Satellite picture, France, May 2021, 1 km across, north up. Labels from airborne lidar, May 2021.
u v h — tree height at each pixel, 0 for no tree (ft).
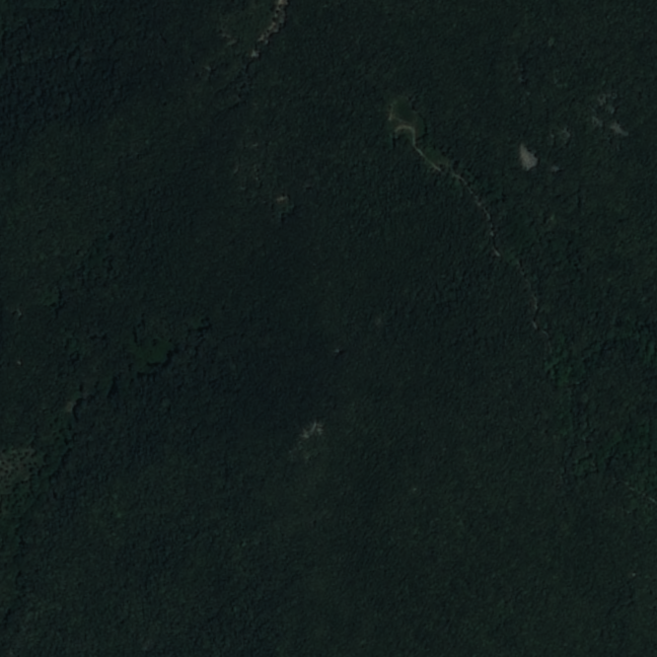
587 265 47
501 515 49
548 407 68
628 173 47
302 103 46
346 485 39
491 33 30
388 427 37
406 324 34
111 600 37
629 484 26
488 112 56
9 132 38
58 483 61
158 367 58
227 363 58
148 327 79
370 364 35
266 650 22
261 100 32
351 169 36
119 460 43
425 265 43
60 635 40
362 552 25
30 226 22
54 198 57
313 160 59
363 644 31
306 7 56
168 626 25
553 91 36
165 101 52
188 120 56
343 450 31
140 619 29
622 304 42
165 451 53
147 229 38
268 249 49
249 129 37
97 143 31
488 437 41
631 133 40
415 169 36
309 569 41
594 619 36
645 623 40
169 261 35
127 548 46
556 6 49
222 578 34
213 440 40
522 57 56
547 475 55
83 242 56
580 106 51
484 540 63
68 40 46
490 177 56
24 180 28
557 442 44
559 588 51
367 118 37
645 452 67
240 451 36
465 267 44
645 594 31
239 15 24
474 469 46
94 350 58
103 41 42
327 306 29
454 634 55
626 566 34
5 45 51
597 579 36
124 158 34
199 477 67
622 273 52
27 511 70
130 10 52
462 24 40
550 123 47
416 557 56
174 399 49
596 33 62
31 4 69
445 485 52
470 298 40
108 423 46
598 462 41
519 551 57
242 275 53
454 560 64
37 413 62
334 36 66
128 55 69
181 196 49
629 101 53
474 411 58
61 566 45
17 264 33
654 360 52
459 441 41
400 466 33
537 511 47
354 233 55
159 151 41
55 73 32
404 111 0
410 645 43
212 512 51
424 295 48
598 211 44
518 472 32
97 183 33
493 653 42
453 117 41
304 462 25
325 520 31
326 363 48
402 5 52
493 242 45
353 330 48
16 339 31
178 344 55
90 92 37
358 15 73
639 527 31
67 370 54
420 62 35
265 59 39
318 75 68
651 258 58
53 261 58
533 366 62
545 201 60
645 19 54
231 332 59
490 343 43
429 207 38
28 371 47
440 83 55
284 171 55
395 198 40
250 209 45
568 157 50
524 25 64
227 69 52
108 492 23
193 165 60
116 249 67
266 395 54
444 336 39
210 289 54
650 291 57
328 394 45
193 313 47
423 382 42
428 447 34
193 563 38
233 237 51
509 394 63
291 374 44
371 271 30
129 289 57
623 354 56
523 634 37
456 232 53
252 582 30
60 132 21
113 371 65
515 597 46
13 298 33
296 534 24
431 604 51
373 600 55
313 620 28
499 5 52
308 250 38
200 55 56
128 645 39
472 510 52
